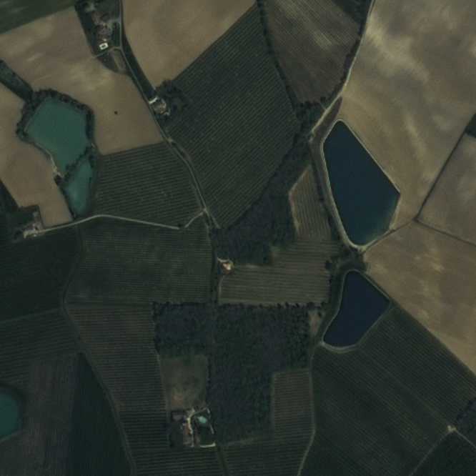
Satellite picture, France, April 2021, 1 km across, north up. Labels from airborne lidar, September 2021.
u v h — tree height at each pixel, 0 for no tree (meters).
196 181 0
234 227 10
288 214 12
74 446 6
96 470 6
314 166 10
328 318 0
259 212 16
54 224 0
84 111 16
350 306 0
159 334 19
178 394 0
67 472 6
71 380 6
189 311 18
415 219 0
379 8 0
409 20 0
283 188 17
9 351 7
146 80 0
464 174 0
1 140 0
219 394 18
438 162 0
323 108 17
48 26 0
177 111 15
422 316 0
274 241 18
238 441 18
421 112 0
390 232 0
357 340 0
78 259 0
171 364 0
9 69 14
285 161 9
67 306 0
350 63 15
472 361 0
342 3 0
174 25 0
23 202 0
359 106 0
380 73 0
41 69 0
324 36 0
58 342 6
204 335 19
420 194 0
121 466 7
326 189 0
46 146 0
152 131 0
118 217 0
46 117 0
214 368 17
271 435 0
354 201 0
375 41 0
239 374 20
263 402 20
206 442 0
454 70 0
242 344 19
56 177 0
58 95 11
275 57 16
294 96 15
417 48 0
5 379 6
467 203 0
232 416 23
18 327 8
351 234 0
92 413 7
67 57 0
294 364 20
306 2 0
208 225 10
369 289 0
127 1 0
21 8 0
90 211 0
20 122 7
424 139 0
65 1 0
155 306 12
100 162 0
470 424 18
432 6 0
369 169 0
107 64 0
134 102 0
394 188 0
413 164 0
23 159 0
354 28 0
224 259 8
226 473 0
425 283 0
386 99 0
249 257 15
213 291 7
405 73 0
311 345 18
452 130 0
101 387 6
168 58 0
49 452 6
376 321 0
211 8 0
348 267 0
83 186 0
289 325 14
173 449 8
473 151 0
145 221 0
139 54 0
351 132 0
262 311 18
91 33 9
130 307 0
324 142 0
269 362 18
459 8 0
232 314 22
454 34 0
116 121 0
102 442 6
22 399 0
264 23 13
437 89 0
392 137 0
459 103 0
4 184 0
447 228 0
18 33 0
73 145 0
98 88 0
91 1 8
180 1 0
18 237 10
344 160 0
